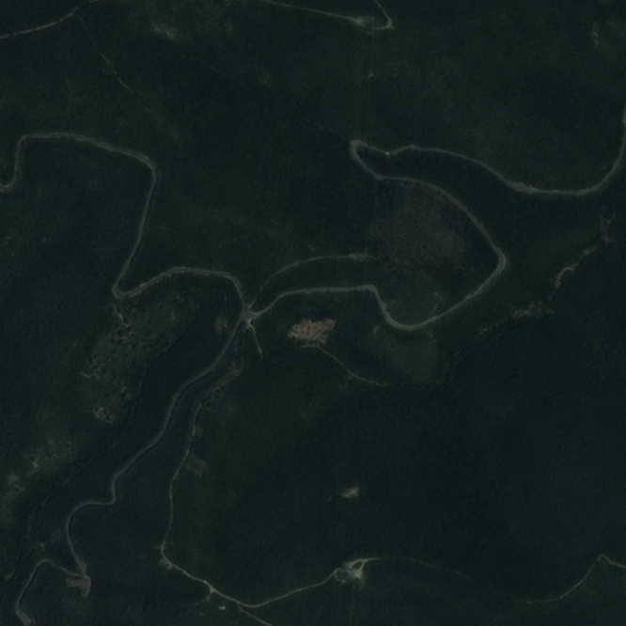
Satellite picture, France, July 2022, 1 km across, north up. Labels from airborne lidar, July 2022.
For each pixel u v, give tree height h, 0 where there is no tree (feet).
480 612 17
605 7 22
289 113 21
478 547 24
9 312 34
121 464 27
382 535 24
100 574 21
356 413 22
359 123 17
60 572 43
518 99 28
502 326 31
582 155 19
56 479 32
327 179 36
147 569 23
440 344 30
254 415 20
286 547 20
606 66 23
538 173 21
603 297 28
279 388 22
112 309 41
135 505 23
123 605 19
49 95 22
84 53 26
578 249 24
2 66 20
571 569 25
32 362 24
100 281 18
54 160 43
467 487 43
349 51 19
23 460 23
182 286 24
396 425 30
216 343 21
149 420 18
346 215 25
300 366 28
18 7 28
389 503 24
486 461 25
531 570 37
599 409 25
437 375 19
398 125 28
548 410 22
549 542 18
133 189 22
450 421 31
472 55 20
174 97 28
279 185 25
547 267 27
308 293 24
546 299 20
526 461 23
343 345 27
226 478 24
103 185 31
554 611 22
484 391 20
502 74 22
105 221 21
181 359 27
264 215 17
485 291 25
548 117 24
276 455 28
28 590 24
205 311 31
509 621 20
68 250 42
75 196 37
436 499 32
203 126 31
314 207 32
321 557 19
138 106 19
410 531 24
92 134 19
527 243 25
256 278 18
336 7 20
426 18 23
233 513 40
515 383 35
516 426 22
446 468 33
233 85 20
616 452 26
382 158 42
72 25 21
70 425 28
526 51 23
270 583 20
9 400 28
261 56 18
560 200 29
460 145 20
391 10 27
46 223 29
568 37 21
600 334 22
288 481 25
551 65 24
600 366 35
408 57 17
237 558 18
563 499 19
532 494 27
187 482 20
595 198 31
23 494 28
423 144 24
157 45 31
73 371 28
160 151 17
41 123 27
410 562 19
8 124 27
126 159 35
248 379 19
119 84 27
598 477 18
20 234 22
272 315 29
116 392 28
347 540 25
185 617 18
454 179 36
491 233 28
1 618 22
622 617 21
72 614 19
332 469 22
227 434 23
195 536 18
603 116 24
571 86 39
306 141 29
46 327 23
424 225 0
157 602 33
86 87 24
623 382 37
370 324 22
